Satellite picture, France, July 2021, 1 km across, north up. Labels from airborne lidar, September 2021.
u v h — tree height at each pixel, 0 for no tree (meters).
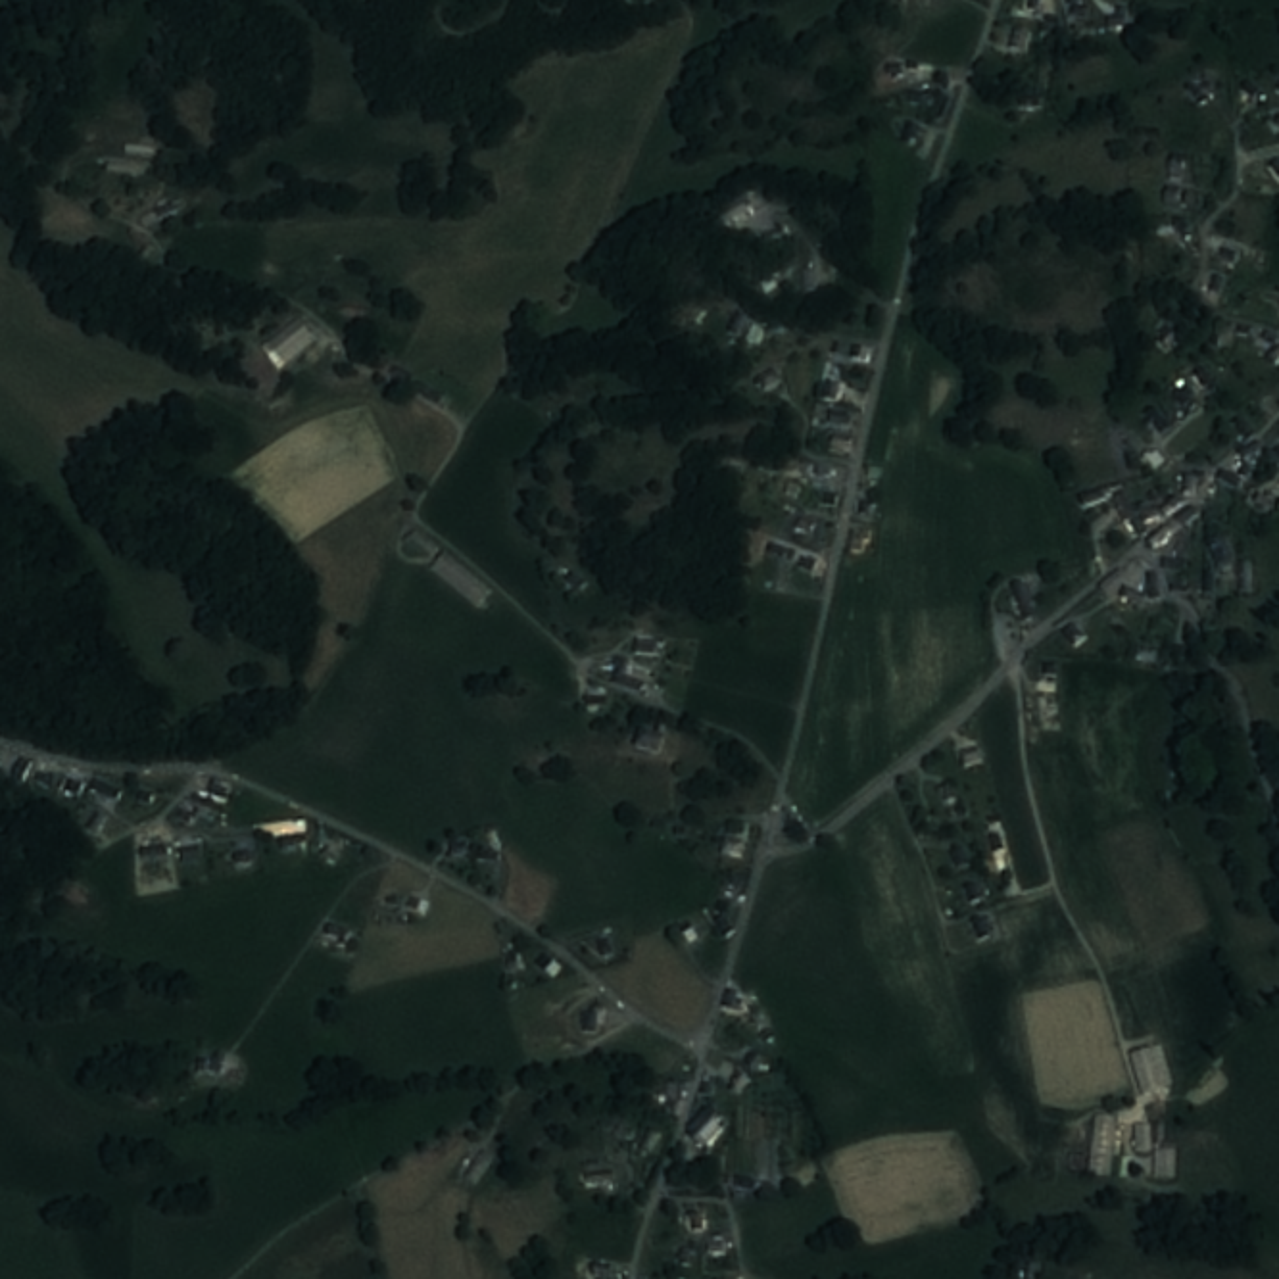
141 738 22
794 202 11
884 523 0
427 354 0
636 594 9
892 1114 0
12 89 9
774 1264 0
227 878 0
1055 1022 0
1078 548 0
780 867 0
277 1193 0
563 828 0
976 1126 0
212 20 9
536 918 0
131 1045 10
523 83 0
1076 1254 21
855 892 0
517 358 13
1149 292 10
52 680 20
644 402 20
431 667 0
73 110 13
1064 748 0
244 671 11
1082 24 0
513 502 0
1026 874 0
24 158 12
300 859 0
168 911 0
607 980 0
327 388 0
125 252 17
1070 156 0
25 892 10
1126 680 0
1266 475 11
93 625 23
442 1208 0
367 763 0
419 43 7
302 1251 0
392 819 0
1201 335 7
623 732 7
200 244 0
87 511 20
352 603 0
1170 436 0
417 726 0
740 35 17
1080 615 0
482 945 0
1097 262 0
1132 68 0
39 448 0
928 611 0
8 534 23
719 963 0
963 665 0
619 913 0
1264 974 0
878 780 0
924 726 0
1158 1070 0
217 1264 0
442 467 0
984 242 10
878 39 0
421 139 0
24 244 17
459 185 14
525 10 13
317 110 0
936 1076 0
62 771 0
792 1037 0
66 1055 0
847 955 0
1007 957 0
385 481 0
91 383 0
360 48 12
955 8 0
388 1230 0
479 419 0
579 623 0
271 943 0
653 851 0
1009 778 0
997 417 0
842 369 7
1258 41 0
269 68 11
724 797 14
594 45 15
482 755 0
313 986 0
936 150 0
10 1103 0
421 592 0
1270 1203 0
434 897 0
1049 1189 0
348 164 0
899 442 0
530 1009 0
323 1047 0
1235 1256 14
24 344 0
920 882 0
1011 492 0
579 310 0
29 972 16
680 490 14
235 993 0
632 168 0
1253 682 0
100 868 0
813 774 0
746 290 14
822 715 0
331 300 10
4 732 24
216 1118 12
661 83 0
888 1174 0
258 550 10
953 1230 0
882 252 0
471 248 0
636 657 7
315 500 0
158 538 17
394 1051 0
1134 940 0
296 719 19
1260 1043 0
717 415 14
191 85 9
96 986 15
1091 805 0
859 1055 0
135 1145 12
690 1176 20
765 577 0
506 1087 15
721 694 0
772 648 0
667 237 10
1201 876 0
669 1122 7
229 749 13
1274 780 20
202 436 9
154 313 8
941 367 0
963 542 0
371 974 0
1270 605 0
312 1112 21
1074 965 0
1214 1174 0
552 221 0
